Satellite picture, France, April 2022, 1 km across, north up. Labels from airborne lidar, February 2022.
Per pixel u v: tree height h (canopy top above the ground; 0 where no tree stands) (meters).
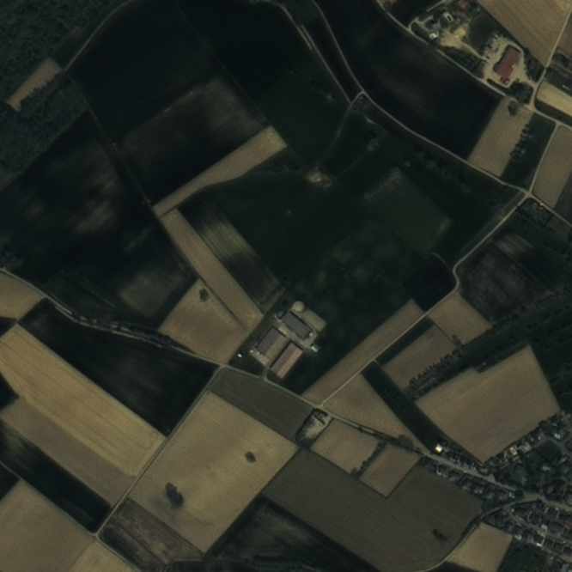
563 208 0
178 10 0
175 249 0
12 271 0
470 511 0
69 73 0
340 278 0
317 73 0
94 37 0
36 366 0
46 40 32
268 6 0
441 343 0
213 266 0
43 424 0
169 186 0
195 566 0
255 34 0
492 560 0
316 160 0
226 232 0
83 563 0
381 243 0
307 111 0
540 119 0
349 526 0
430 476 0
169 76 0
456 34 0
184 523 0
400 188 0
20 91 0
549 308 0
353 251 0
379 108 0
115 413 0
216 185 0
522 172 0
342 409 0
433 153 0
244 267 0
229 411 0
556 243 0
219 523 0
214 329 0
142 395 0
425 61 0
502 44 0
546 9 0
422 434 0
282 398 0
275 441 0
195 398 0
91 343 0
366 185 0
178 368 0
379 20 0
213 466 0
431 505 0
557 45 0
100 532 0
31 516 0
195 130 0
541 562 0
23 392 0
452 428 0
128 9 0
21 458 0
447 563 0
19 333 0
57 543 0
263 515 0
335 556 0
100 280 0
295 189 0
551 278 0
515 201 0
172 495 25
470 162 0
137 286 0
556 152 0
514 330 0
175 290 0
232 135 0
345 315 0
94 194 0
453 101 0
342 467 0
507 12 0
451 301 0
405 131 0
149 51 0
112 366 0
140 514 0
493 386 0
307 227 0
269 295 0
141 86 0
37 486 0
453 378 0
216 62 0
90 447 0
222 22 0
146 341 0
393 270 0
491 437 0
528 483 13
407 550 0
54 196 0
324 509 0
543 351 0
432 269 0
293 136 0
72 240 0
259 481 0
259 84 0
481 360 0
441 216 0
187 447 0
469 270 0
